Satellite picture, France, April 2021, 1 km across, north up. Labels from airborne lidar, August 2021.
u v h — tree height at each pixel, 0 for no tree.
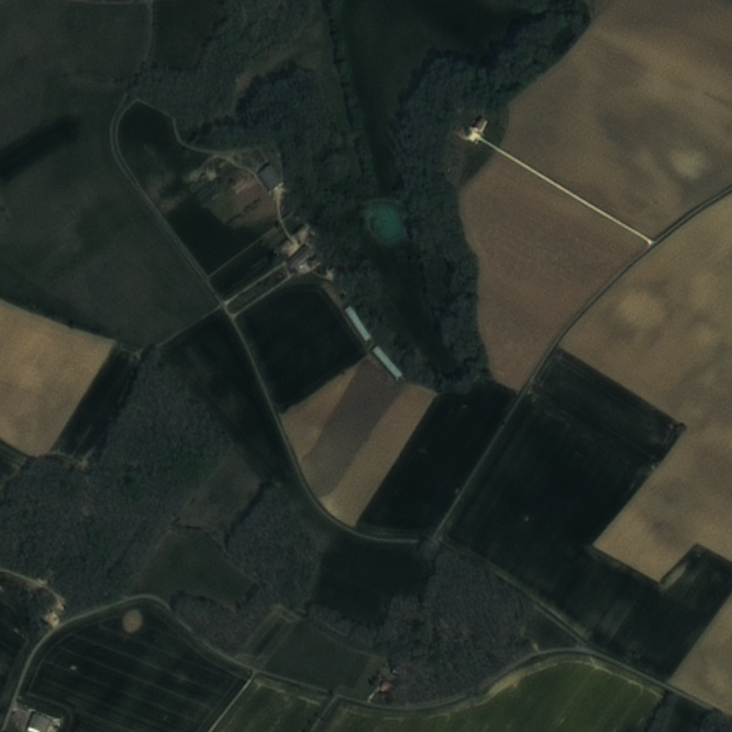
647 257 0
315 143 24
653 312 0
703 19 0
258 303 0
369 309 10
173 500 18
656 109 0
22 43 0
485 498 0
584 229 0
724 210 0
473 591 19
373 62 0
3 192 0
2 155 0
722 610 0
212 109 28
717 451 0
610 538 0
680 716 0
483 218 0
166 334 0
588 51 0
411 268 0
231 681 0
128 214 0
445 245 20
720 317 0
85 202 0
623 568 0
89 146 0
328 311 0
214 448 22
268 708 0
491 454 0
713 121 0
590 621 0
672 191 0
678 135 0
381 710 0
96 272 0
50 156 0
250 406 0
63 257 0
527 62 19
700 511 0
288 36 14
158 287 0
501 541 0
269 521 20
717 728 16
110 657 0
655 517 0
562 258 0
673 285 0
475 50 0
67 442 0
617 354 0
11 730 0
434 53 0
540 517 0
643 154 0
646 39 0
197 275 0
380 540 0
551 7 10
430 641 10
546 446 0
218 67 21
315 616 15
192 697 0
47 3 0
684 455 0
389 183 0
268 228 0
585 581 0
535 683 0
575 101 0
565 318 0
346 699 0
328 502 0
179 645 0
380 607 0
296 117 17
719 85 0
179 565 0
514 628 14
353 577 0
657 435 0
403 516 0
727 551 0
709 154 0
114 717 0
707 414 0
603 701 0
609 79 0
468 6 0
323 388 0
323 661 0
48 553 19
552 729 0
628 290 0
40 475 18
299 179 19
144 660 0
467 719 0
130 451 22
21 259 0
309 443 0
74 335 0
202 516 0
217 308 0
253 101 19
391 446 0
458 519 0
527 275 0
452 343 26
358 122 21
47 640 0
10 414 0
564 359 0
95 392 0
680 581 0
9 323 0
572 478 0
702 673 0
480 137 0
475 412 0
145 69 11
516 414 0
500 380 0
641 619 0
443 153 17
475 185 0
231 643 15
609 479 0
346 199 15
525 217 0
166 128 0
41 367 0
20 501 20
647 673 0
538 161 0
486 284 0
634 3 0
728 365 0
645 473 0
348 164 18
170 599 0
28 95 0
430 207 21
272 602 18
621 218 0
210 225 0
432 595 18
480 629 17
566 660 0
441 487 0
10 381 0
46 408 0
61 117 0
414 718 0
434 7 0
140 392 18
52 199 0
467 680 22
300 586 16
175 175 0
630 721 0
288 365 0
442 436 0
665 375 0
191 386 0
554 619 0
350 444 0
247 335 0
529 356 0
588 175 0
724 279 0
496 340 0
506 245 0
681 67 0
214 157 0
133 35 0
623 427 0
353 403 0
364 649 14
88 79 0
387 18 0
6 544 17
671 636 0
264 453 0
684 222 0
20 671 0
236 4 20
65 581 19
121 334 0
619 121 0
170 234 0
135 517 16
